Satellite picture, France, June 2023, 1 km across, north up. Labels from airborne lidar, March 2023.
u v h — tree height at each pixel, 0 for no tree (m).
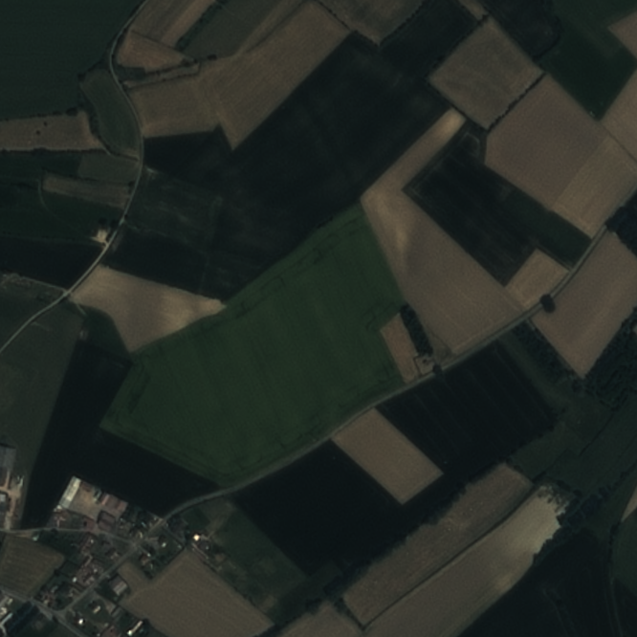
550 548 8
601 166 0
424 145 0
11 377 0
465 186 0
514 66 0
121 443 0
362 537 0
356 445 0
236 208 0
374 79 0
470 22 0
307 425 0
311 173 0
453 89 0
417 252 0
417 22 0
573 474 0
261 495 0
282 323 0
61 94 0
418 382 0
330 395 0
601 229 0
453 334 0
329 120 0
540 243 0
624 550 0
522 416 0
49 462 0
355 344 0
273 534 0
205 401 0
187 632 0
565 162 0
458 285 0
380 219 0
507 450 0
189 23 0
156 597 0
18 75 0
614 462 0
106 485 0
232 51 0
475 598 0
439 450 0
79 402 0
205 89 0
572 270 0
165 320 0
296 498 0
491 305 0
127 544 0
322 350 0
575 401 0
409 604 0
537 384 0
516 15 0
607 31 0
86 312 0
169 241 0
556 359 6
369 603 0
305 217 0
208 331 0
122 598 0
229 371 0
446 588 0
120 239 0
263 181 0
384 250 0
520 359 0
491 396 0
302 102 0
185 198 0
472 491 0
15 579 0
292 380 0
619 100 0
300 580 0
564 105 0
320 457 0
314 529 0
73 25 0
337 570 0
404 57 0
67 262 0
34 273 0
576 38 0
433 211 0
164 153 0
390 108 0
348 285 0
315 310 0
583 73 0
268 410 0
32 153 7
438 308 0
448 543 0
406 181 0
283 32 0
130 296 0
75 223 0
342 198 0
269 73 0
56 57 0
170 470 0
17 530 0
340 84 0
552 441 0
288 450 0
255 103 0
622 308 0
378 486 0
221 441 0
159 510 0
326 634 0
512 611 0
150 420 0
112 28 0
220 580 0
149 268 0
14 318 0
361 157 0
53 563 0
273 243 0
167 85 0
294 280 0
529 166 0
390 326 0
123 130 0
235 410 0
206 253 0
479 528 0
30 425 0
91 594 0
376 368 0
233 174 0
